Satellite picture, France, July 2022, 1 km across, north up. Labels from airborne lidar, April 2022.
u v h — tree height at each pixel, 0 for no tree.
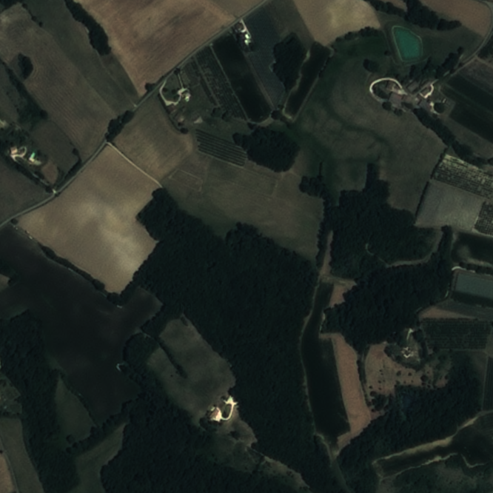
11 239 0
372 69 19
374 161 0
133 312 0
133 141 0
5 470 0
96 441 17
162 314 12
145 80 0
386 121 0
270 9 0
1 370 9
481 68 0
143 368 20
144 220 12
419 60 0
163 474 22
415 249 7
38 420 14
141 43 0
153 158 0
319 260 11
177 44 0
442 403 24
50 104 0
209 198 0
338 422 0
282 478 0
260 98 0
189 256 19
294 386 19
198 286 17
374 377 0
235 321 17
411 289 24
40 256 0
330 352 0
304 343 0
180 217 30
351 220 21
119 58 0
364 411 0
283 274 21
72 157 0
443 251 9
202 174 0
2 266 23
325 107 0
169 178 0
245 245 26
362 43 0
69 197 0
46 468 9
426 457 0
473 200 0
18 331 19
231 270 25
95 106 0
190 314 15
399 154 0
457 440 0
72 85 0
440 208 0
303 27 0
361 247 12
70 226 0
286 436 18
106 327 0
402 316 16
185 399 0
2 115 0
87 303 0
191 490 24
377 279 30
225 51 0
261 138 25
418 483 8
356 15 0
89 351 0
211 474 20
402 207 0
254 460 0
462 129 0
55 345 0
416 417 16
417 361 0
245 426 0
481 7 0
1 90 0
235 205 0
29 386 19
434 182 0
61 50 0
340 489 6
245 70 0
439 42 0
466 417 14
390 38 0
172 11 0
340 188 0
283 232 0
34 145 0
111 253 0
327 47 0
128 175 0
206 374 0
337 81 0
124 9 0
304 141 0
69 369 0
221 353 11
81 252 0
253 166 0
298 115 0
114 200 0
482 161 10
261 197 0
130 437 17
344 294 0
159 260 17
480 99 0
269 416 20
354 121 0
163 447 24
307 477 22
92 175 0
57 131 0
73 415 0
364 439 15
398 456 0
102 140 0
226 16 0
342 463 6
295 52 23
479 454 0
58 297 0
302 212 0
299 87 0
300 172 0
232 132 0
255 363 22
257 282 21
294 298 21
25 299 0
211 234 26
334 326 8
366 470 9
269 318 25
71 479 20
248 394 17
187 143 0
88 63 0
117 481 21
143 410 12
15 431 0
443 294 17
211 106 0
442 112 8
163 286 19
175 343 0
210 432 8
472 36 0
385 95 8
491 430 0
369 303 21
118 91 0
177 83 0
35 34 0
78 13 16
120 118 9
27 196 0
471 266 15
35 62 0
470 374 18
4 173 0
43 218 0
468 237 0
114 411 0
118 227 0
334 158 0
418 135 0
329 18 0
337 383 0
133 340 16
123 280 0
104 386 0
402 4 0
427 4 0
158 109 0
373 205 24
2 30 0
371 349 0
